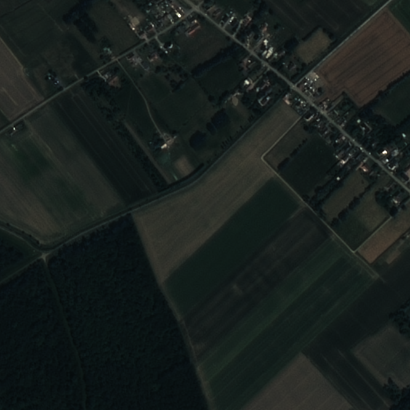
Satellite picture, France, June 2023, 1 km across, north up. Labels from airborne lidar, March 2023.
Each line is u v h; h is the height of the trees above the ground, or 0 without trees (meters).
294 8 0
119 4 0
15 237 0
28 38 0
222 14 0
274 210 0
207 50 0
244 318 0
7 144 0
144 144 0
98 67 0
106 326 22
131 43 0
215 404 0
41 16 0
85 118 0
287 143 0
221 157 0
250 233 0
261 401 0
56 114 0
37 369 20
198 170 7
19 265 0
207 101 0
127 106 0
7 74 0
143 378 23
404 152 9
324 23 0
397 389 14
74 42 0
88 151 0
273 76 11
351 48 0
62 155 0
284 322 0
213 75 0
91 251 25
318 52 0
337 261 0
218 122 27
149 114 0
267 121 0
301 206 0
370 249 0
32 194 0
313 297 0
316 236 0
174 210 0
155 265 0
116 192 0
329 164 0
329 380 0
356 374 0
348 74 0
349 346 0
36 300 23
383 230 0
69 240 0
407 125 9
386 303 0
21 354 18
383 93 14
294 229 0
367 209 0
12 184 0
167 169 0
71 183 0
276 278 0
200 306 0
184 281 0
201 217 0
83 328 25
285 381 0
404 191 12
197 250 0
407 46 0
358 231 0
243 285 0
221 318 0
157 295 23
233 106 0
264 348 0
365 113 13
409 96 0
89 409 17
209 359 0
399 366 0
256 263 0
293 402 0
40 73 0
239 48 13
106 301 23
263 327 0
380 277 0
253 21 9
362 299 0
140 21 0
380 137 7
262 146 0
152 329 22
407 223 0
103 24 0
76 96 0
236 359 0
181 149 0
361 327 0
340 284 0
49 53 0
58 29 0
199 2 0
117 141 0
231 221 0
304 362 0
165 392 23
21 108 0
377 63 0
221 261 0
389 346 0
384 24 0
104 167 0
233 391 0
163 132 0
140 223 0
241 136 0
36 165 0
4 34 0
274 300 0
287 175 0
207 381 0
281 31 0
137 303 22
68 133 0
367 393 0
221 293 0
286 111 0
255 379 0
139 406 33
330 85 0
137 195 0
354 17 0
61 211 0
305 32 0
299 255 0
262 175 0
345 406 0
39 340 22
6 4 0
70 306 20
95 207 0
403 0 0
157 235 0
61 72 0
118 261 25
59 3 0
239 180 0
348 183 0
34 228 0
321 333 0
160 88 0
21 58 0
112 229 21
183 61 0
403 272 0
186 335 0
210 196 0
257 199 0
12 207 0
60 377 19
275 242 0
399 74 0
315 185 0
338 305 0
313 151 0
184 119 0
